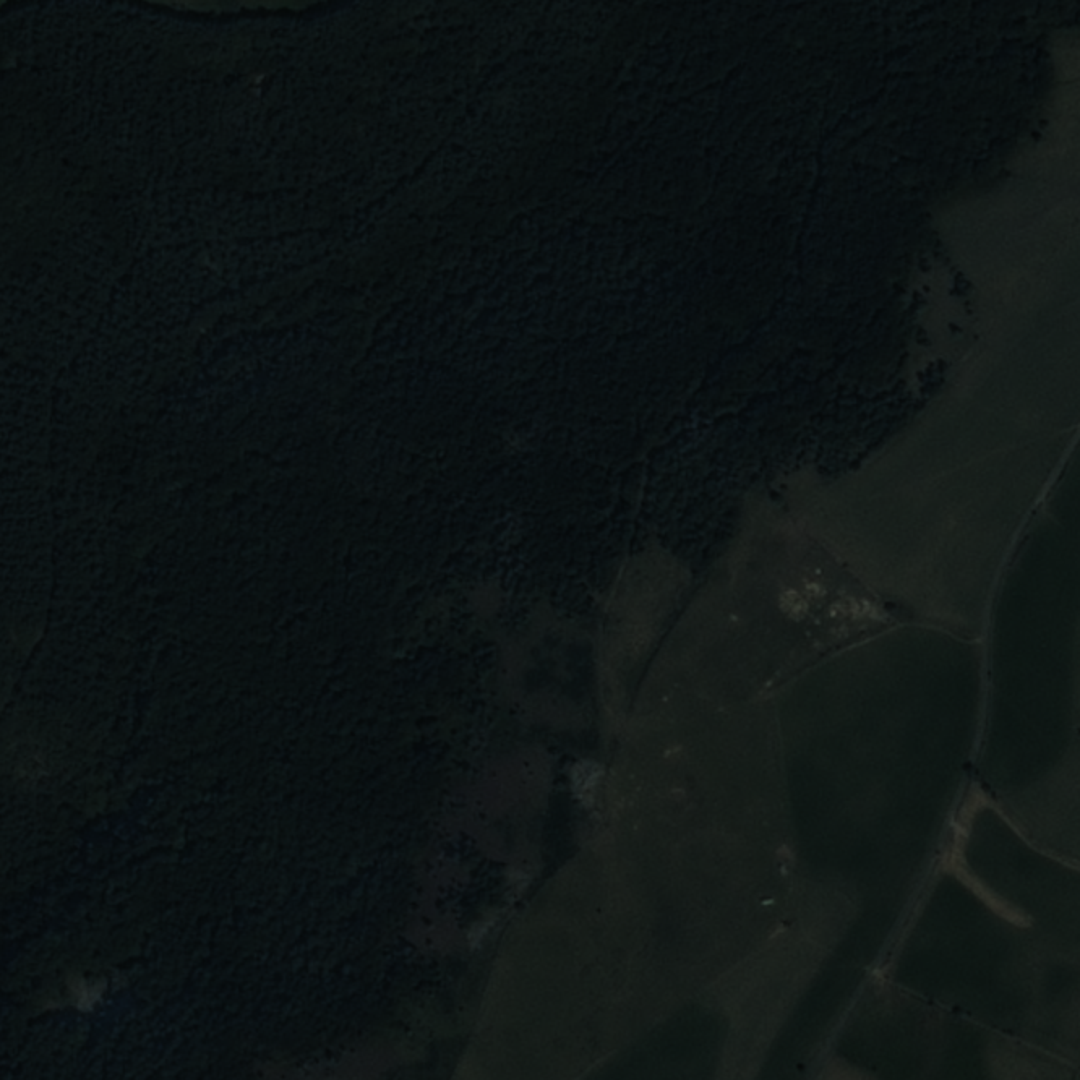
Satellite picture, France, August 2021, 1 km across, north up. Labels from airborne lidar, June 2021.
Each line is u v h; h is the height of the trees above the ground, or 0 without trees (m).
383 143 32
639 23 17
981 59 15
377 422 8
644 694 0
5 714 7
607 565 11
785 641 0
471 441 8
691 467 7
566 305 10
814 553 0
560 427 10
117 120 23
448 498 8
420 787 19
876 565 0
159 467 20
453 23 21
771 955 0
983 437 0
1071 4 11
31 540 27
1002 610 0
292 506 19
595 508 11
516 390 11
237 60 17
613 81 14
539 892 0
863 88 16
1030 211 0
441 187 28
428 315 12
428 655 11
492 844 0
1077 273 0
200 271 34
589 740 0
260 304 18
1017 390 0
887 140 18
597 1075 0
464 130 30
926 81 22
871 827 0
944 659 0
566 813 0
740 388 13
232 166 20
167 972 20
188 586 21
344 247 22
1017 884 0
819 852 0
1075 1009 0
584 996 0
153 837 27
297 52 30
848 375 14
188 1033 14
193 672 26
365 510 22
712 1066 0
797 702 0
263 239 27
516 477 10
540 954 0
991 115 22
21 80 24
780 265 14
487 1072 0
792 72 18
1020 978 0
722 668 0
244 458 16
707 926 0
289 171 33
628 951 0
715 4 12
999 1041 0
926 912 0
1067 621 0
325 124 17
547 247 12
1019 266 0
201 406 21
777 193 14
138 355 23
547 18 26
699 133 15
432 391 16
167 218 32
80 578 26
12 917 19
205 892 25
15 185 22
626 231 12
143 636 18
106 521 17
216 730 24
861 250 22
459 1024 0
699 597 0
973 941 0
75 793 24
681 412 9
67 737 19
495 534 10
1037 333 0
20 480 28
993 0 22
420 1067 0
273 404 24
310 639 23
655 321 13
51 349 26
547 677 0
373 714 29
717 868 0
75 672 23
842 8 13
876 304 21
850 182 22
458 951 0
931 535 0
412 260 14
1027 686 0
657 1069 0
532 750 0
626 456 11
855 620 0
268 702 24
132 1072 19
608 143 12
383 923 16
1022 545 0
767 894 0
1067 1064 0
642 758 0
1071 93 0
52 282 34
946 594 0
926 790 0
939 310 0
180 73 16
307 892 20
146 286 21
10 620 13
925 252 10
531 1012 0
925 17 18
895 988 0
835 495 0
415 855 10
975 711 0
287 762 27
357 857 16
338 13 26
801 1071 9
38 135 25
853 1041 0
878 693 0
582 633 0
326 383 22
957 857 0
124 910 25
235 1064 14
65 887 22
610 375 11
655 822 0
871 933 0
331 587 23
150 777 22
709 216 10
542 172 14
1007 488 0
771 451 10
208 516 22
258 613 18
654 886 0
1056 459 0
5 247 20
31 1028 20
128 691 17
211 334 15
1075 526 0
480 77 10
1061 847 0
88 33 25
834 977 0
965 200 0
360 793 25
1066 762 0
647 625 0
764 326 21
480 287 13
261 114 20
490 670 7
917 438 0
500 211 18
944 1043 0
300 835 22
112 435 22
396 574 17
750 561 0
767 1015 0
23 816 20
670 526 12
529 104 29
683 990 0
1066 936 0
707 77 14
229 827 22
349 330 24
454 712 0
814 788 0
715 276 18
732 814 0
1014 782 0
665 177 13
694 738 0
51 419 15
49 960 22
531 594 12
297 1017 23
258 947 16
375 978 10
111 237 31
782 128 12
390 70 24
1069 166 0
